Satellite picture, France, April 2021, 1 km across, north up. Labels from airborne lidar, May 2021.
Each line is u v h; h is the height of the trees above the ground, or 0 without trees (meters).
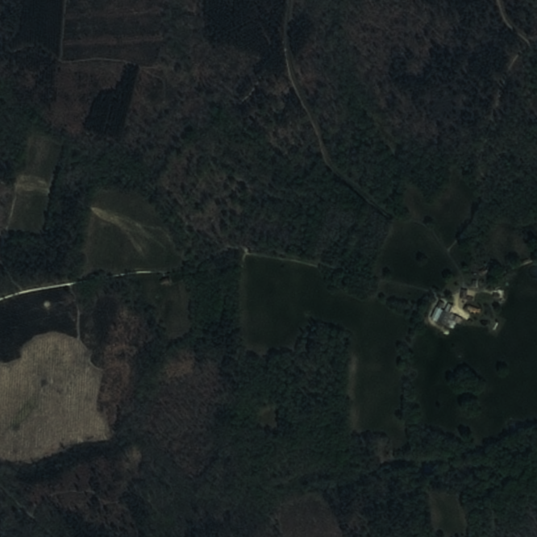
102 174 16
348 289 17
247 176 11
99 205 0
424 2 11
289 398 20
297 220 20
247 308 0
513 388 0
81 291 15
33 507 17
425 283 0
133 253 0
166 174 18
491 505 21
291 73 0
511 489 22
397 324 0
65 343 0
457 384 21
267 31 17
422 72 9
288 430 24
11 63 7
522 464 20
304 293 0
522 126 17
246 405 20
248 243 6
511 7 15
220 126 18
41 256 17
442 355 0
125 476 0
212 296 16
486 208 18
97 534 18
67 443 0
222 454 19
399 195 22
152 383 13
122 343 0
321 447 19
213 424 10
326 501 19
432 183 21
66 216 16
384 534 23
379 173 21
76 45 0
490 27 7
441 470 20
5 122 14
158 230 0
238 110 16
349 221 16
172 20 12
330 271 7
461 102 9
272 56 23
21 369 0
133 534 7
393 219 14
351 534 24
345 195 20
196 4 10
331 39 22
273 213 18
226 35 17
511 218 18
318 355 16
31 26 10
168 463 12
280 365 20
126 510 7
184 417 10
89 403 0
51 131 14
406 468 20
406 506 22
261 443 21
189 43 15
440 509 0
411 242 0
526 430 17
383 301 13
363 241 6
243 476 21
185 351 10
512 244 0
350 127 19
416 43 8
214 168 14
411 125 9
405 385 19
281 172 20
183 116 9
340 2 18
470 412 17
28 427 0
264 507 18
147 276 0
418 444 23
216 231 12
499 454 25
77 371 0
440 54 10
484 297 0
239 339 17
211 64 11
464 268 11
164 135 10
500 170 20
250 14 17
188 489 17
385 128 13
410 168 21
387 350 0
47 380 0
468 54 17
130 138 11
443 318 0
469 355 0
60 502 11
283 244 10
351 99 20
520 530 15
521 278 0
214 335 19
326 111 15
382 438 19
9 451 0
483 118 7
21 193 0
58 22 9
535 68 19
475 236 14
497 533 10
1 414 0
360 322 0
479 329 0
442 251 0
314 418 19
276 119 17
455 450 26
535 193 22
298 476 14
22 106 9
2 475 18
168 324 0
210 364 12
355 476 18
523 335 0
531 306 0
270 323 0
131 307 11
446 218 0
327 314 0
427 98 9
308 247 19
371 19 13
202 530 11
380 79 16
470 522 17
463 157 21
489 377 0
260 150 13
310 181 21
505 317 0
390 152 15
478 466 21
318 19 15
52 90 7
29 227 0
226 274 17
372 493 14
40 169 0
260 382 25
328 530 0
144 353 11
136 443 14
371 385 0
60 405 0
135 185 10
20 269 19
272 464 19
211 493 19
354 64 10
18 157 18
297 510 0
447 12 14
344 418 20
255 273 0
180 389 12
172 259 0
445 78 13
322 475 10
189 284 16
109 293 12
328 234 16
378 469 9
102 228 0
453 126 7
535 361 0
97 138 6
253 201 12
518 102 12
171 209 16
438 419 0
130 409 13
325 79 12
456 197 0
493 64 18
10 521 17
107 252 0
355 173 17
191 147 12
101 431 0
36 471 8
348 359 14
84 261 16
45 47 8
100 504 16
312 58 11
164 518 16
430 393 0
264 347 0
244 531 13
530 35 12
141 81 10
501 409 0
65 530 13
